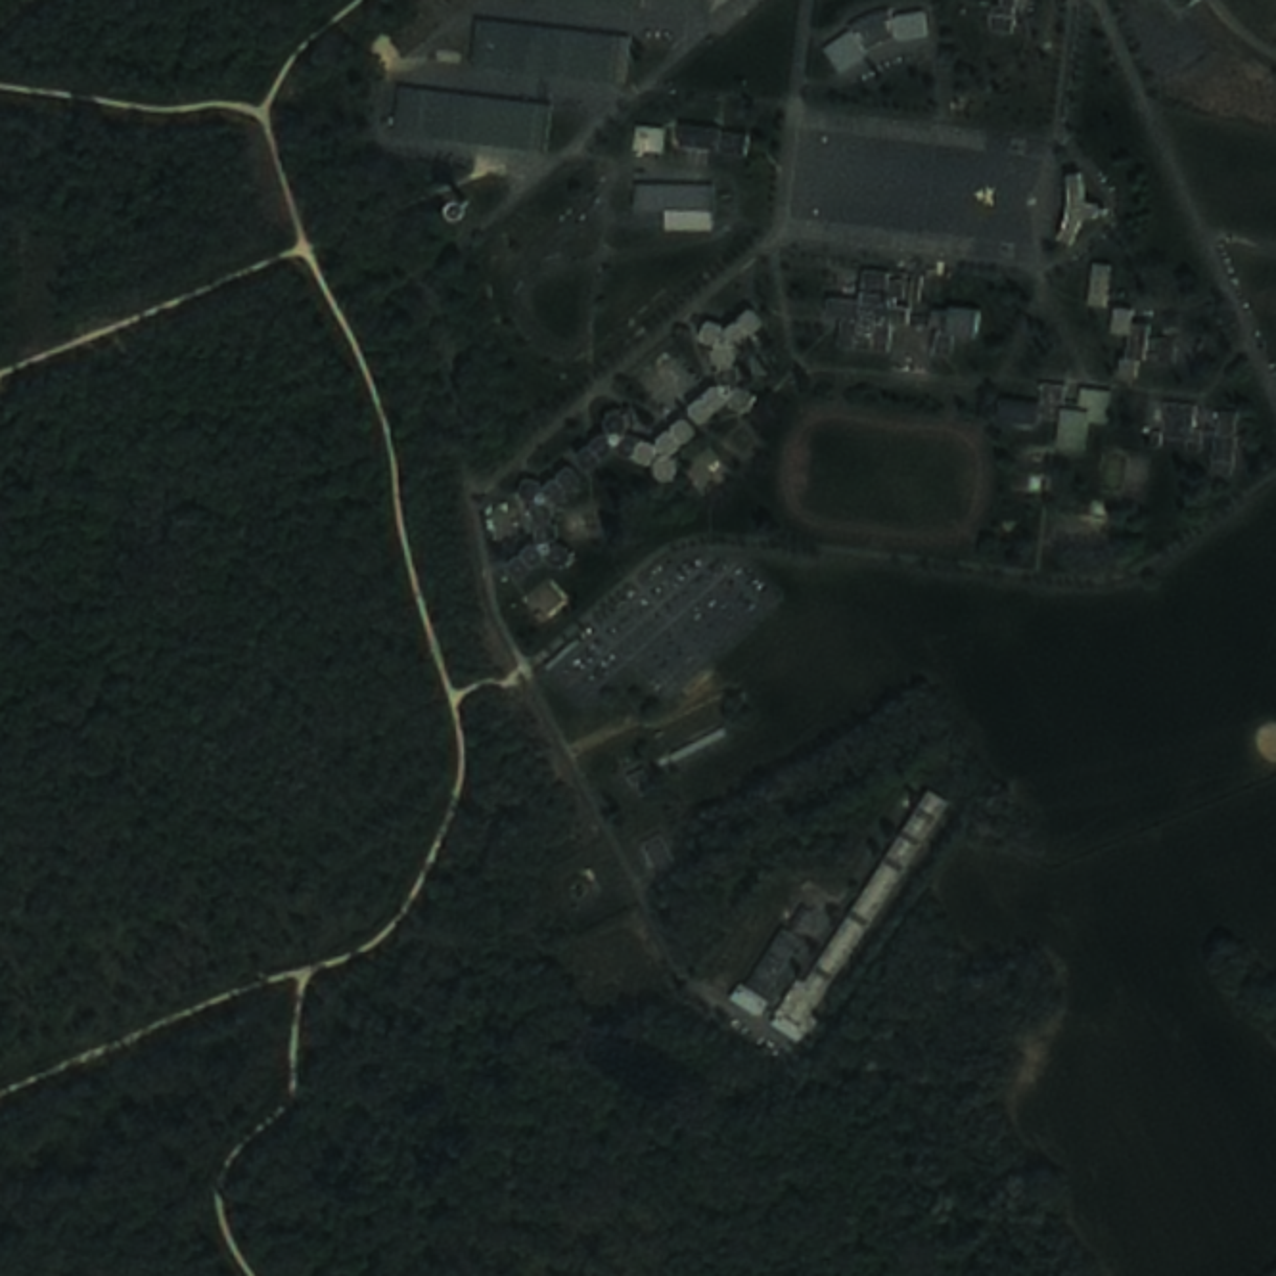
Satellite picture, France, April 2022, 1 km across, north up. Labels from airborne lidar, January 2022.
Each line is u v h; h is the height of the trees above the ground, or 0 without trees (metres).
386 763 24
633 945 0
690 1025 20
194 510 27
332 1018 23
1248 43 0
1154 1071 0
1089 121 0
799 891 0
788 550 12
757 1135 25
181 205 19
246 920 19
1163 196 0
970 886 0
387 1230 25
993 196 0
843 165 0
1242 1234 0
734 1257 22
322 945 17
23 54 20
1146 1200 0
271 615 21
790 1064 17
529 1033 27
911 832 0
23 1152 11
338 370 16
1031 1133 0
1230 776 0
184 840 15
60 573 23
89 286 13
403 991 24
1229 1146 0
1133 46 7
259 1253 22
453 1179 22
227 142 22
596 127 0
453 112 0
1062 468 19
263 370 18
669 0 0
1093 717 0
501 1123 19
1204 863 0
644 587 0
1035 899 0
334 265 15
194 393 17
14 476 12
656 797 9
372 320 27
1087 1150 0
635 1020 25
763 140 11
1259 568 0
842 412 0
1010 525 0
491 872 17
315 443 22
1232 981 14
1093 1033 0
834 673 0
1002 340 7
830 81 0
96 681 23
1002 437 10
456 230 18
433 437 27
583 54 0
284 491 20
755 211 0
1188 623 0
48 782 22
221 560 17
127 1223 22
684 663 0
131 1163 37
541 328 0
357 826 24
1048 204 0
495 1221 28
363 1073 22
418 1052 25
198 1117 36
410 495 12
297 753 25
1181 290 7
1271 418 0
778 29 0
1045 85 0
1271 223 0
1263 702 0
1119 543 22
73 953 24
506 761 12
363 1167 28
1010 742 0
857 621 0
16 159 22
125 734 20
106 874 22
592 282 0
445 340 18
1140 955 0
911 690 11
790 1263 18
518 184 0
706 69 0
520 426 23
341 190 25
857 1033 21
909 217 0
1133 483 0
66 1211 25
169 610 18
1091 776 0
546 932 16
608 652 0
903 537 0
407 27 0
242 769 22
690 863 22
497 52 0
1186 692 0
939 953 26
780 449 0
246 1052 10
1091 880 0
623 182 0
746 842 22
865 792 23
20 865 23
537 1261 23
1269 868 0
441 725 22
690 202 0
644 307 0
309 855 20
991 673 0
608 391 0
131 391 21
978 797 15
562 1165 25
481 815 25
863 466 0
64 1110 23
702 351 10
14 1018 22
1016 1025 19
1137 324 0
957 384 0
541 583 0
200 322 18
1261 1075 0
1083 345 0
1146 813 0
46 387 19
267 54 17
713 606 0
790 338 0
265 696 21
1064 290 0
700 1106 26
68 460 14
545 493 0
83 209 19
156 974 28
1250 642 0
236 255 20
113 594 22
